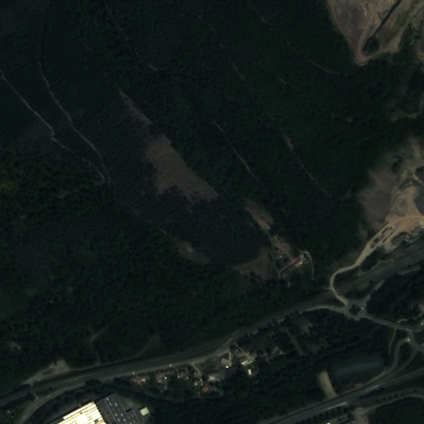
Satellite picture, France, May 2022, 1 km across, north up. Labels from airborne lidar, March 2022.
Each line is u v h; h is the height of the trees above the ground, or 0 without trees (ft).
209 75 77
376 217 0
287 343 55
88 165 46
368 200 0
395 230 0
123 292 78
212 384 31
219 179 70
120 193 71
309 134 44
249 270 0
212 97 74
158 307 89
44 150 54
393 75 55
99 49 52
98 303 95
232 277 20
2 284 85
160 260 75
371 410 0
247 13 82
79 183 75
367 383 0
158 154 0
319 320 102
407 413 0
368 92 52
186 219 71
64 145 60
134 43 76
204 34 69
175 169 0
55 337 93
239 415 39
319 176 52
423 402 35
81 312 57
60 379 0
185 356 0
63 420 0
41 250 90
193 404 47
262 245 65
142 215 70
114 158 74
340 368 0
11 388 0
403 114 0
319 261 30
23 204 93
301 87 57
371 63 50
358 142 57
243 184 72
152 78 59
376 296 65
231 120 71
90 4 51
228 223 78
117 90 61
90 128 87
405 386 0
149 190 80
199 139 64
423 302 0
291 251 0
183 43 75
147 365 0
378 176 0
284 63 57
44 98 69
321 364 74
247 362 0
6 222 44
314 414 0
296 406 0
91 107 71
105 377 0
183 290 39
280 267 61
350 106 54
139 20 60
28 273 77
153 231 41
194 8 63
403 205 0
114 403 0
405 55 21
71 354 75
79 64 66
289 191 61
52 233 91
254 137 71
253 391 41
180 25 69
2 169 0
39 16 64
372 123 56
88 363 73
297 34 64
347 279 32
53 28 74
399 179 0
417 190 0
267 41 62
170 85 99
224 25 72
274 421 0
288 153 67
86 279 103
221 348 0
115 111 82
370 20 0
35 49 62
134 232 50
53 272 86
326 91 58
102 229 67
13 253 66
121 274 83
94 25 101
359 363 0
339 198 36
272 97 59
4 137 58
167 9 67
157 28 75
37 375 0
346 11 0
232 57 64
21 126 59
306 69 63
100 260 106
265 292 71
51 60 62
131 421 0
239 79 57
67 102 61
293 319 61
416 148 0
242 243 74
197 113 78
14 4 73
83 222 85
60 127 47
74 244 83
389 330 49
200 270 33
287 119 39
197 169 87
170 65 85
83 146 66
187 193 0
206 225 74
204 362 0
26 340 80
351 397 0
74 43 66
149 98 83
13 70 47
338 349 39
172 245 28
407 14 0
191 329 73
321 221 46
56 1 64
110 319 67
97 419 0
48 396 0
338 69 53
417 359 25
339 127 60
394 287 78
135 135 80
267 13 61
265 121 53
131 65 89
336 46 65
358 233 0
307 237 124
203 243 75
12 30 50
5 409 68
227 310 76
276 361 30
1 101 63
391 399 29
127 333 36
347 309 0
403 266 0
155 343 0
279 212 70
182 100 70
